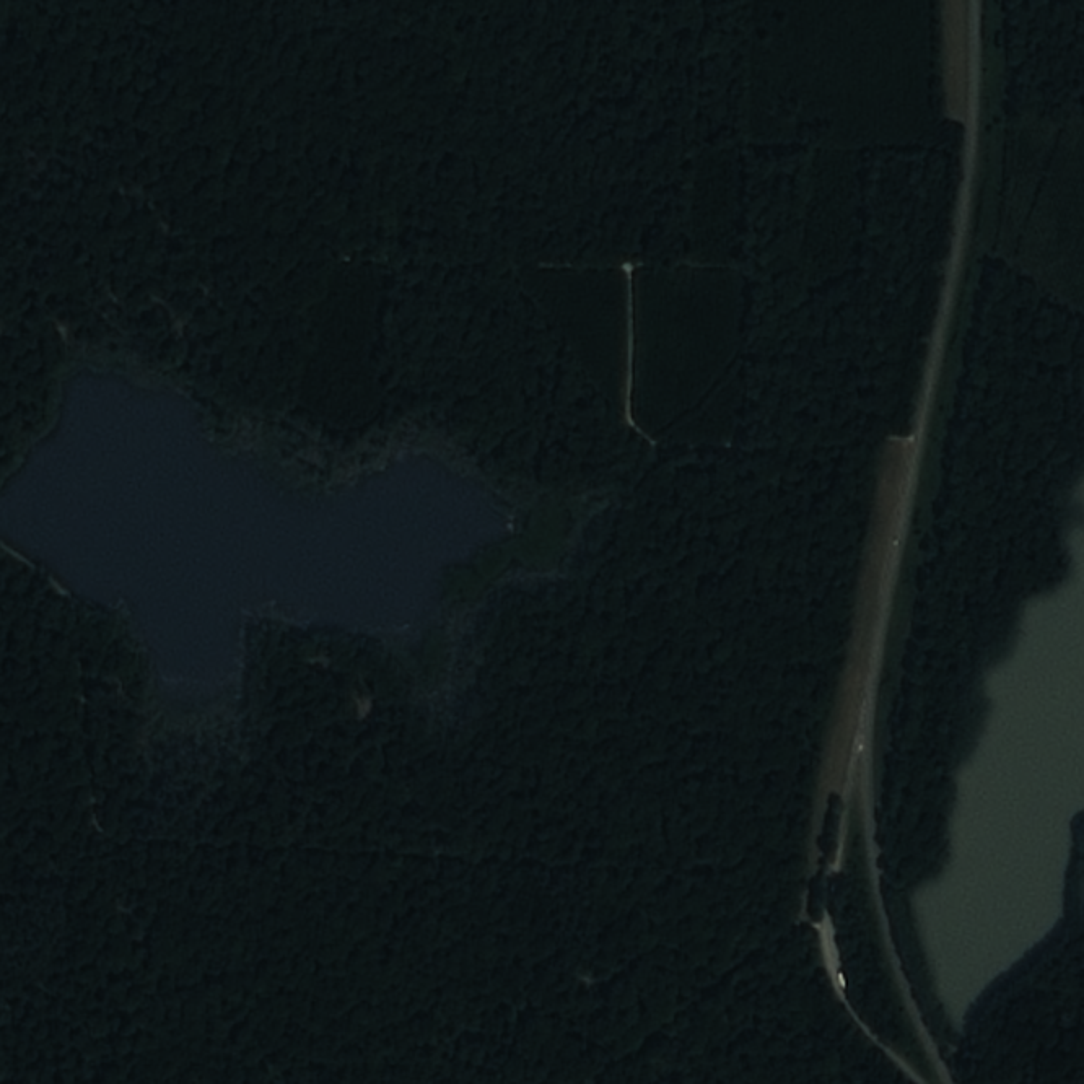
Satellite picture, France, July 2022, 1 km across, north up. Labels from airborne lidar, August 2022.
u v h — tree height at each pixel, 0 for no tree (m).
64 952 15
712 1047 24
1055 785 0
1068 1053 27
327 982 27
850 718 0
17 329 25
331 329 11
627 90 13
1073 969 20
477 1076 23
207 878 21
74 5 21
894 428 11
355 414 12
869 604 0
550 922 18
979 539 20
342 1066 22
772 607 20
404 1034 18
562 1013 21
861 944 18
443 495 0
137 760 22
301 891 21
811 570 18
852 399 22
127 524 0
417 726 27
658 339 6
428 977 18
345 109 21
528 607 19
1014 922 0
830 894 17
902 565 0
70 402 0
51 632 23
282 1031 25
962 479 16
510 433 24
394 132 22
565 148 23
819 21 6
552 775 23
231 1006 17
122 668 25
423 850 15
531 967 23
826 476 19
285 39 20
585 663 23
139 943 19
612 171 22
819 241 7
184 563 0
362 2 25
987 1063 25
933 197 19
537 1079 20
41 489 0
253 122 19
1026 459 25
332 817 22
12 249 25
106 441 0
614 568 20
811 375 22
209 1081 21
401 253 22
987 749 0
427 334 26
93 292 23
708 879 23
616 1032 23
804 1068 22
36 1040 17
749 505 23
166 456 0
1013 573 23
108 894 23
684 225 19
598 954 23
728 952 22
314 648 21
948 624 19
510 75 24
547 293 6
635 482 18
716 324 6
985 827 0
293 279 23
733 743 28
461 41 24
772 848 18
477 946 22
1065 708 0
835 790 0
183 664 0
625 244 22
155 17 22
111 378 0
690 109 23
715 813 23
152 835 15
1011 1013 27
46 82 25
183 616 0
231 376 24
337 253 25
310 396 11
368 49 25
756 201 23
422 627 0
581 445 20
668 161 18
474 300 26
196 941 23
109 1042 21
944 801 18
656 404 6
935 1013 26
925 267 19
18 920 22
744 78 13
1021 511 18
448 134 20
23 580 20
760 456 28
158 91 27
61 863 21
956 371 0
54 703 24
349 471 15
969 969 0
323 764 21
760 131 7
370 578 0
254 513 0
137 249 25
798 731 19
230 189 26
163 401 0
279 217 25
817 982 18
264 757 20
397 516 0
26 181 20
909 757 19
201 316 32
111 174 27
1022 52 20
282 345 26
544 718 22
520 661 28
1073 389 11
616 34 24
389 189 30
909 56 7
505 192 25
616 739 20
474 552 0
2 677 27
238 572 0
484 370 22
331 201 30
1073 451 17
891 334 20
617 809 22
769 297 22
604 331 7
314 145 22
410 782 23
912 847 20
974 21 0
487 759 23
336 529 0
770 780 21
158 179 24
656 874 23
